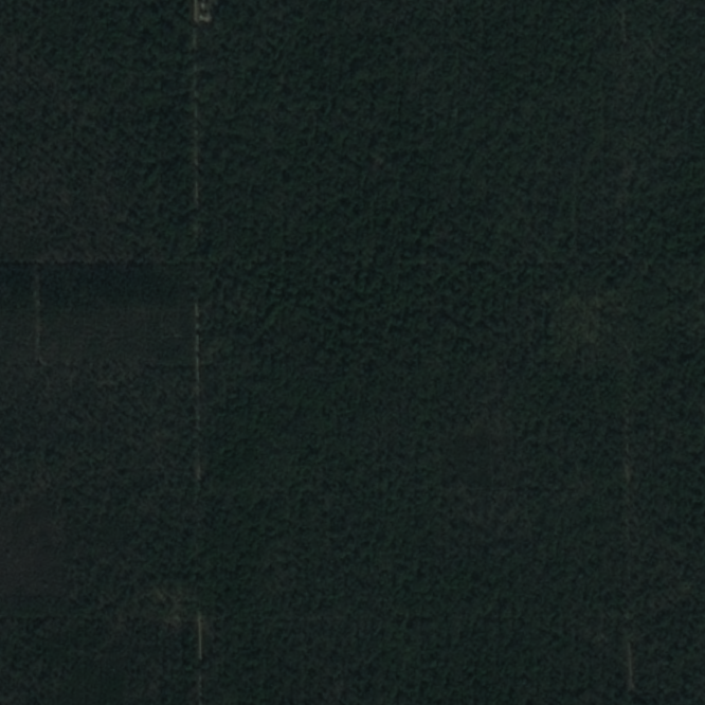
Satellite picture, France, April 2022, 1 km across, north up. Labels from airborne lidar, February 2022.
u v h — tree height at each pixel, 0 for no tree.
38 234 8
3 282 15
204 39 23
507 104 23
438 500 20
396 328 11
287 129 20
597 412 11
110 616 19
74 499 6
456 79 9
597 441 18
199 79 22
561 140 16
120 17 19
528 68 20
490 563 19
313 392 18
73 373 15
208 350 21
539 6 13
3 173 17
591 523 22
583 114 17
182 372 17
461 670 21
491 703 19
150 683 7
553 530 21
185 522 20
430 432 19
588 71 22
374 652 21
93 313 7
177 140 20
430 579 21
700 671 15
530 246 18
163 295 11
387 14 16
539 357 18
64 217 12
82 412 10
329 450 18
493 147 12
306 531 16
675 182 18
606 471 19
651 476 7
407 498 21
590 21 18
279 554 18
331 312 17
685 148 18
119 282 15
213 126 19
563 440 7
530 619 19
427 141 20
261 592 21
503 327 19
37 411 13
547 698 15
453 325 25
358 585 18
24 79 12
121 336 6
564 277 17
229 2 12
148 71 23
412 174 20
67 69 18
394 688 20
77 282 12
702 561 14
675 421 17
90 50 19
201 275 22
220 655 18
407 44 18
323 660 19
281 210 20
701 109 14
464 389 20
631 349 20
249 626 16
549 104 20
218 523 18
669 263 23
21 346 8
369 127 11
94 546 13
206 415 18
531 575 17
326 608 18
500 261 21
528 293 9
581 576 17
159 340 6
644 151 16
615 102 12
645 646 8
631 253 21
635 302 21
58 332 7
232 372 20
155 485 16
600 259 14
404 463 18
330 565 13
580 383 16
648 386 22
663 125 18
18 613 11
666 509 22
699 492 18
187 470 19
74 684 8
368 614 14
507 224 21
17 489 19
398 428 15
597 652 7
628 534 15
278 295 14
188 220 19
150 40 23
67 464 19
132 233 15
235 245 21
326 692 14
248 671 20
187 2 15
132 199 17
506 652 20
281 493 16
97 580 9
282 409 17
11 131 15
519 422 12
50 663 9
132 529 9
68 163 18
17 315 7
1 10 17
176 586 25
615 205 14
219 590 10
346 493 15
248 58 23
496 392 15
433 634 20
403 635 20
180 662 19
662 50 20
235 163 19
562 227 21
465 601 20
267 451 19
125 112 15
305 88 20
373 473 17
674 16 11
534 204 17
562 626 22
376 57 20
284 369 22
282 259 20
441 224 11
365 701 17
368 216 17
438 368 19
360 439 21
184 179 21
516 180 13
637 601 18
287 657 20
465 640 16
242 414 19
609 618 20
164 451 7
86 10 10
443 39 16
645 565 9
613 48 20
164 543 19
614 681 17
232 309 13
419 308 11
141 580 20
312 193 16
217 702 21
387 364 23
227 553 16
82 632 9
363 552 16
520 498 15
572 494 20
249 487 21
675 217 9
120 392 15
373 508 20
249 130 22
